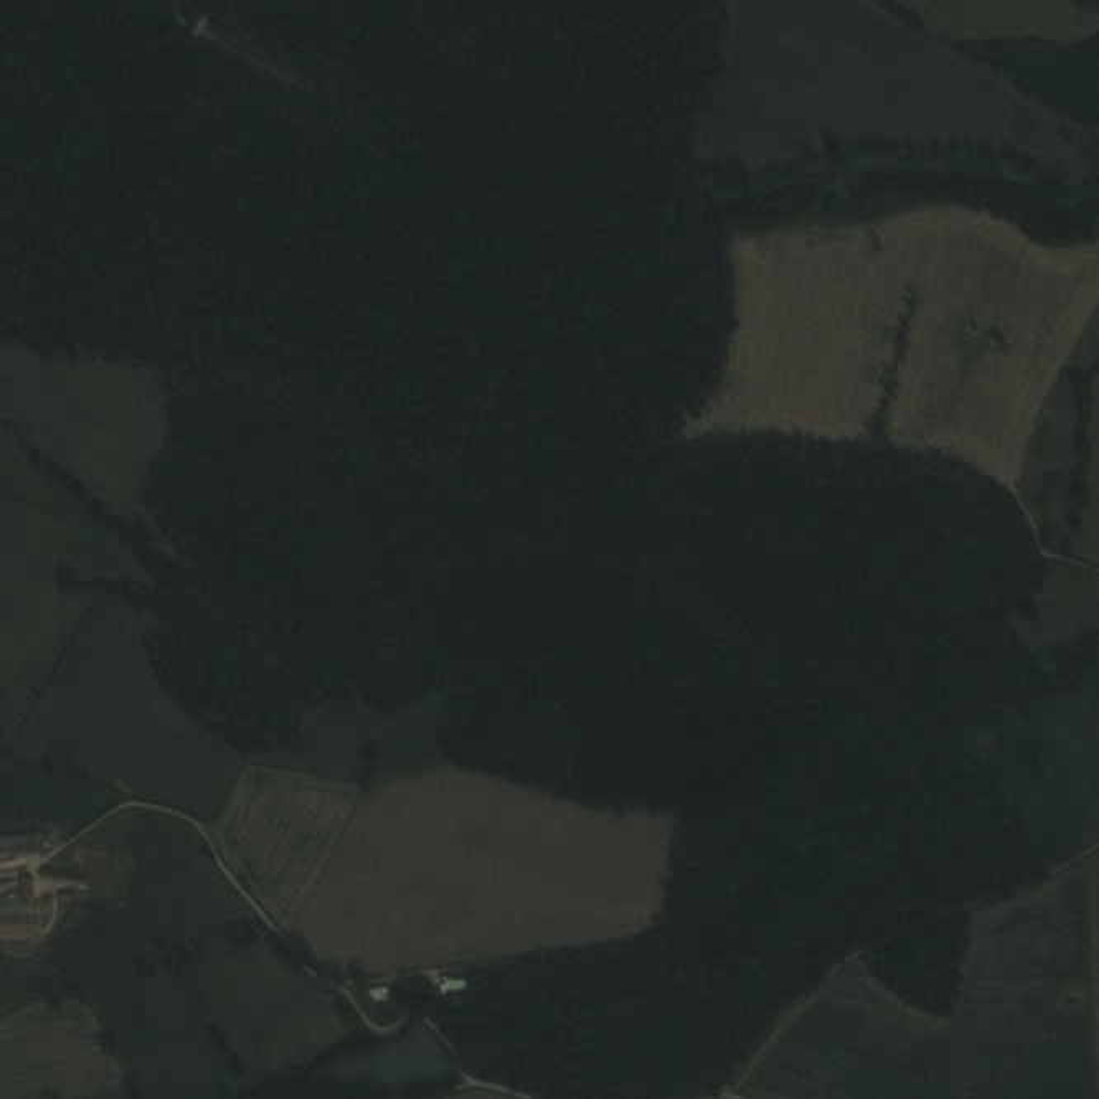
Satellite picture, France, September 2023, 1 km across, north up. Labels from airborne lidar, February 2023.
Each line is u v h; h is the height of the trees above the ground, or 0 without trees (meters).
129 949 0
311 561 20
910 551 20
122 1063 0
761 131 0
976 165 0
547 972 13
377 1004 0
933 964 21
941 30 0
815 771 20
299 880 0
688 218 27
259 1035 0
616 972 7
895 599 19
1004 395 0
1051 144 0
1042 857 16
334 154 31
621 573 15
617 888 0
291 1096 18
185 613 18
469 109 28
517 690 15
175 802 0
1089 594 0
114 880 0
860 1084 0
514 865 0
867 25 0
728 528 19
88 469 0
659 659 15
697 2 27
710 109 0
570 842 0
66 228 29
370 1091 20
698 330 28
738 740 11
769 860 22
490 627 19
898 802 9
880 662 16
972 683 23
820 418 0
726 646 18
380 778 0
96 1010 0
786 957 21
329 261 34
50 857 0
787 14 0
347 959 0
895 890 21
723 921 13
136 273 30
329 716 0
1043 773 0
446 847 0
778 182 0
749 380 0
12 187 31
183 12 22
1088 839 0
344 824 0
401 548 23
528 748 18
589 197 32
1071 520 14
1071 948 0
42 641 0
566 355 32
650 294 31
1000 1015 0
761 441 19
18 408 0
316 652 19
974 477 15
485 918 0
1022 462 0
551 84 28
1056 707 0
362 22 30
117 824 0
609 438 28
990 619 27
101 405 0
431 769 0
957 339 0
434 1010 12
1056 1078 0
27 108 29
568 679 18
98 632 0
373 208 31
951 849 21
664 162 21
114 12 28
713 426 0
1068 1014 0
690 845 18
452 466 16
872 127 0
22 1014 0
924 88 0
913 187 9
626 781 11
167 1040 0
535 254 28
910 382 0
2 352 0
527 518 21
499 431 24
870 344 0
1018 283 0
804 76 0
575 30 25
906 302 12
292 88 0
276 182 32
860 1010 0
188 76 25
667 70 26
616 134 27
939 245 0
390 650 12
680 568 18
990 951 0
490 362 32
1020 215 18
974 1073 0
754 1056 0
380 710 17
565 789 9
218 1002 0
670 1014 19
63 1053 0
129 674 0
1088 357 0
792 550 18
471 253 32
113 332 21
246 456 21
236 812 0
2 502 0
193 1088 0
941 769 10
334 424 20
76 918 0
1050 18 0
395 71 28
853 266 0
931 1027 0
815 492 21
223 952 0
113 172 33
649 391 29
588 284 29
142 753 0
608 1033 16
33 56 30
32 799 0
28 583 0
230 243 34
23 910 0
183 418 19
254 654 16
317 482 21
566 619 18
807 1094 0
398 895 0
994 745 0
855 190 10
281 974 0
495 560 18
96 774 0
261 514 23
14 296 26
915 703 21
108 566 0
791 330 0
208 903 0
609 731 12
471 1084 0
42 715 0
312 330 30
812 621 20
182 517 11
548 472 24
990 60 12
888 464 20
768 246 0
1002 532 18
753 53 0
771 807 21
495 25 28
